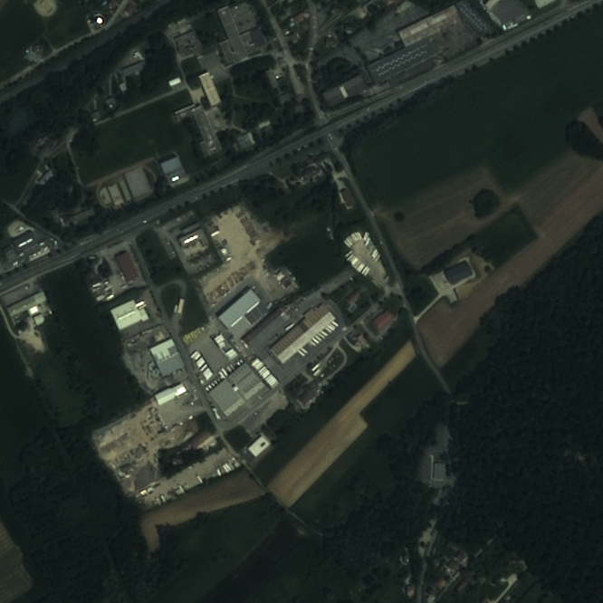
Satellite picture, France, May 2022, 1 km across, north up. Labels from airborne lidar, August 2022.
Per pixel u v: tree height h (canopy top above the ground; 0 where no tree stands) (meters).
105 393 0
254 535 0
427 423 22
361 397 0
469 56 0
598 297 27
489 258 6
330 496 0
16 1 0
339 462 0
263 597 0
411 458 23
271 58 14
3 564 0
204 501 0
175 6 14
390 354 0
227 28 0
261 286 0
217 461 0
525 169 0
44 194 21
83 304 0
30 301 0
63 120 20
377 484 0
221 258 0
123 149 0
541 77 0
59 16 0
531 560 25
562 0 0
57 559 16
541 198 0
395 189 0
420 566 13
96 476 17
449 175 0
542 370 28
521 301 21
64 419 0
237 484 0
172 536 20
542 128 0
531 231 0
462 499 23
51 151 0
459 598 11
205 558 0
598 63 0
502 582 0
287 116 13
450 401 14
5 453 0
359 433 0
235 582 0
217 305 0
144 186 0
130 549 19
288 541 0
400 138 0
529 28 0
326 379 0
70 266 0
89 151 14
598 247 24
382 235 0
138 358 0
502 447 29
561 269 21
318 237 0
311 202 10
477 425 28
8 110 11
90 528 8
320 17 0
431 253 0
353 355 0
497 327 24
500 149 0
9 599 0
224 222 0
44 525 12
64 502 15
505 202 0
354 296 0
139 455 0
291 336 0
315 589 0
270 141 12
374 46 0
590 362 30
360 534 26
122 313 0
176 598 0
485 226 0
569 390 31
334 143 0
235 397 0
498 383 30
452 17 0
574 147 15
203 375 0
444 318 0
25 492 10
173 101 0
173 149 0
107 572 20
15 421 0
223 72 0
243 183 9
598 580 33
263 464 0
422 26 0
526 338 23
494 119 0
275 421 12
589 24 0
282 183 0
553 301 25
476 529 29
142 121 0
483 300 0
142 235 0
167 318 0
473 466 29
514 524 33
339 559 15
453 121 0
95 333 0
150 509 0
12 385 0
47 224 21
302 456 0
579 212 0
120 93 8
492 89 0
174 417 0
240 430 0
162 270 9
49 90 25
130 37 17
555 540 31
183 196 0
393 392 0
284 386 0
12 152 22
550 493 27
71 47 8
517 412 33
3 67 0
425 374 0
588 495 31
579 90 0
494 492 32
